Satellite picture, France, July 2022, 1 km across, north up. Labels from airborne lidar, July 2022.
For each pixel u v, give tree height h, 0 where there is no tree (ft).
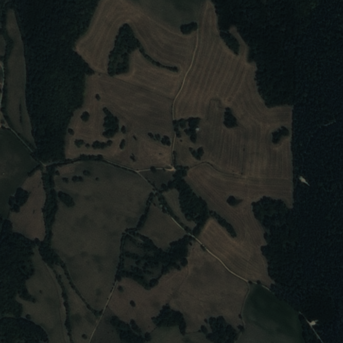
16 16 31
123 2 0
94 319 0
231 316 0
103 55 0
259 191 0
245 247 0
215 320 40
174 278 0
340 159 59
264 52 55
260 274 0
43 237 0
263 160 0
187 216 47
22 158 0
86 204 0
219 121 0
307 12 59
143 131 0
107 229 0
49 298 0
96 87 0
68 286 0
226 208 0
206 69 0
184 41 0
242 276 0
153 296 0
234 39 68
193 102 0
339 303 69
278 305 0
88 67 50
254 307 0
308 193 60
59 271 0
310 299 24
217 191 0
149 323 0
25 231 0
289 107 0
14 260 33
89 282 0
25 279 25
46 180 32
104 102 0
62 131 29
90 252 0
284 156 0
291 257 59
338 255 76
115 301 0
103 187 0
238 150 0
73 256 0
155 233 0
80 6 33
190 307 0
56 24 54
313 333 56
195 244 0
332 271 72
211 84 0
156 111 0
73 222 0
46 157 21
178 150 0
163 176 0
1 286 33
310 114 60
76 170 0
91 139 0
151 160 0
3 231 38
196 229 50
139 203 0
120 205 0
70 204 37
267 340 0
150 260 38
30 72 40
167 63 0
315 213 64
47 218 45
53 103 28
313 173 64
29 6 46
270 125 0
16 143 0
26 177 0
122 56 21
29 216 0
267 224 64
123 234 26
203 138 0
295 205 56
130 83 0
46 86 38
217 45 0
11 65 0
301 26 57
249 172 0
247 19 46
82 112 0
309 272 73
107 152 0
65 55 36
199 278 0
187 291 0
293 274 73
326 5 29
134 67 0
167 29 0
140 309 0
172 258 43
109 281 0
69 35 42
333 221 57
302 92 63
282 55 44
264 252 62
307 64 71
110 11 0
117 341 0
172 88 0
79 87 40
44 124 51
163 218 0
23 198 46
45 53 26
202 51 0
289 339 0
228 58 0
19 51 0
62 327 0
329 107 64
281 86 47
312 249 69
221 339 39
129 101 0
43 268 0
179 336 0
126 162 0
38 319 0
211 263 0
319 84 57
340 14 54
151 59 36
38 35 50
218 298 0
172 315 56
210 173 0
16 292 28
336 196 55
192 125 48
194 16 0
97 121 0
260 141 0
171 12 0
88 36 0
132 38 47
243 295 0
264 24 37
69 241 0
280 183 0
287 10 25
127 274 44
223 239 0
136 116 0
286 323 0
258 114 0
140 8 0
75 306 0
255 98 0
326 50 68
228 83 0
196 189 0
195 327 0
